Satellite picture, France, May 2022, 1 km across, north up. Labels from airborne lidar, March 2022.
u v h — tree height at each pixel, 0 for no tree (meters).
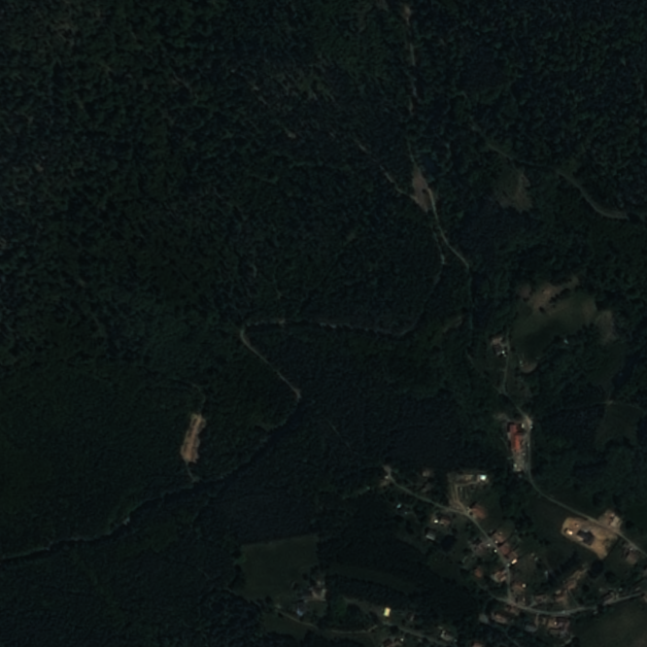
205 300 29
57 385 13
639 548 0
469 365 13
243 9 10
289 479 18
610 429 0
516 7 30
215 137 38
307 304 12
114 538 16
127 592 15
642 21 19
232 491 24
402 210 16
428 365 14
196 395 10
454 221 9
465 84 27
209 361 16
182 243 9
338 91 28
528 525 17
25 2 18
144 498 21
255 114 34
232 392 10
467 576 16
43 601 15
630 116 26
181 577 15
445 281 16
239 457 20
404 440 20
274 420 16
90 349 8
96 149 35
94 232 29
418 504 11
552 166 14
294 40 21
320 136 28
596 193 15
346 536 16
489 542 0
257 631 18
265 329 19
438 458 20
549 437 17
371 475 23
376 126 32
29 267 34
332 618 12
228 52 34
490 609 12
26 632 18
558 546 0
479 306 21
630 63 22
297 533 31
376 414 18
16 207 26
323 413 16
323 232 10
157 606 16
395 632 18
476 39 26
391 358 11
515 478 22
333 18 8
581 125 22
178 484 20
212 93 36
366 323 12
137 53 35
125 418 12
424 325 18
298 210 30
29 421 14
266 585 0
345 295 14
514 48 30
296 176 10
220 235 30
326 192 11
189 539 23
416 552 15
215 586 17
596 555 0
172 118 40
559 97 29
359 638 0
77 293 14
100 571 13
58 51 26
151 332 23
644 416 0
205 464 15
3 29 25
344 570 0
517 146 29
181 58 40
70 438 13
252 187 10
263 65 25
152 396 13
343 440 13
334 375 18
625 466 19
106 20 30
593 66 27
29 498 17
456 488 0
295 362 23
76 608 18
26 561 16
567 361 20
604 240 14
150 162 38
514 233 21
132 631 7
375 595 8
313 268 15
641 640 0
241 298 33
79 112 34
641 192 30
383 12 7
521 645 19
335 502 13
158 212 33
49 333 7
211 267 7
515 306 12
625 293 13
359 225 9
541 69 28
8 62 32
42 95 31
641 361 22
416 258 15
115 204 7
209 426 14
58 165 32
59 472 15
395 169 28
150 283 7
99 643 16
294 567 0
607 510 0
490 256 32
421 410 20
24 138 24
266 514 29
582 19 26
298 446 24
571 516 0
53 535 14
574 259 21
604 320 0
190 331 14
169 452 12
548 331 0
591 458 21
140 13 33
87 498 12
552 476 20
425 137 38
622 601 0
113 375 15
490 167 11
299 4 8
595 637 0
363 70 6
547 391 17
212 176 9
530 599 0
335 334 16
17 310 36
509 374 0
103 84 37
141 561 17
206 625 16
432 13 29
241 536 27
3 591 15
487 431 16
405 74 29
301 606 0
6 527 13
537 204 22
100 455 14
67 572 13
